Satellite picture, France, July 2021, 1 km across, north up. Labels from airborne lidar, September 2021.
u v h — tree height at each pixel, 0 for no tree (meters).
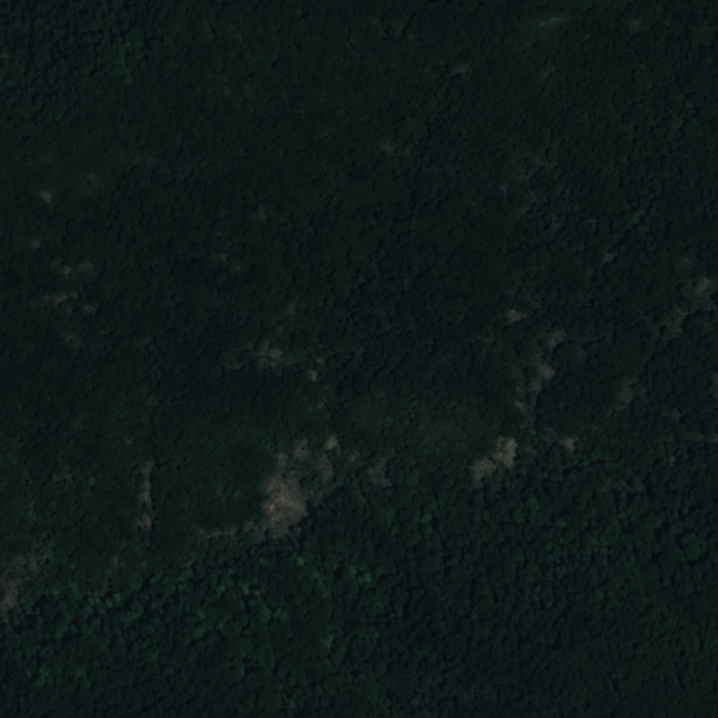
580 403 16
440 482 19
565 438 25
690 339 10
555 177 25
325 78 15
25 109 27
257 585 29
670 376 19
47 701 33
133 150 17
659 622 27
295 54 24
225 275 22
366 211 22
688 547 34
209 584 29
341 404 7
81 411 18
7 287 23
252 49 25
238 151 18
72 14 19
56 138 22
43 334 24
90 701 30
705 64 31
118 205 23
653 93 21
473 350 24
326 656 23
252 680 26
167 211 10
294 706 28
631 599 19
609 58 16
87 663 29
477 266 20
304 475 12
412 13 26
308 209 12
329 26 28
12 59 17
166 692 26
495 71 18
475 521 24
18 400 21
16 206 10
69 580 28
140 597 25
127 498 21
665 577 32
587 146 12
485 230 23
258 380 24
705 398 29
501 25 12
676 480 25
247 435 9
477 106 16
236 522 24
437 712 15
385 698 24
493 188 21
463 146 17
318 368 24
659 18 12
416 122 25
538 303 20
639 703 30
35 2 22
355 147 24
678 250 12
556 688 21
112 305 23
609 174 20
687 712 34
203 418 15
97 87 24
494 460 16
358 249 13
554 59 12
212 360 19
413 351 23
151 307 20
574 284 13
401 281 14
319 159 13
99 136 13
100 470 12
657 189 20
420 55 19
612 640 30
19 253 12
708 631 27
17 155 23
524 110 15
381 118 17
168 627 31
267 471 30
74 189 11
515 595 29
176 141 9
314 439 16
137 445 21
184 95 15
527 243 22
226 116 17
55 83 24
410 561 16
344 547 14
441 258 23
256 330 26
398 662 15
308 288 14
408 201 11
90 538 23
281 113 15
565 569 7
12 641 37
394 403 23
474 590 14
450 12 26
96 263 13
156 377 18
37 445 19
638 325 26
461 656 20
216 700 24
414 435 10
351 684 33
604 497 24
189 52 22
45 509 24
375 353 26
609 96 12
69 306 22
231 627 22
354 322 17
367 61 16
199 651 31
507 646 24
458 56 12
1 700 26
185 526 13
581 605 27
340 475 28
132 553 14
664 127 28
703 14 7
